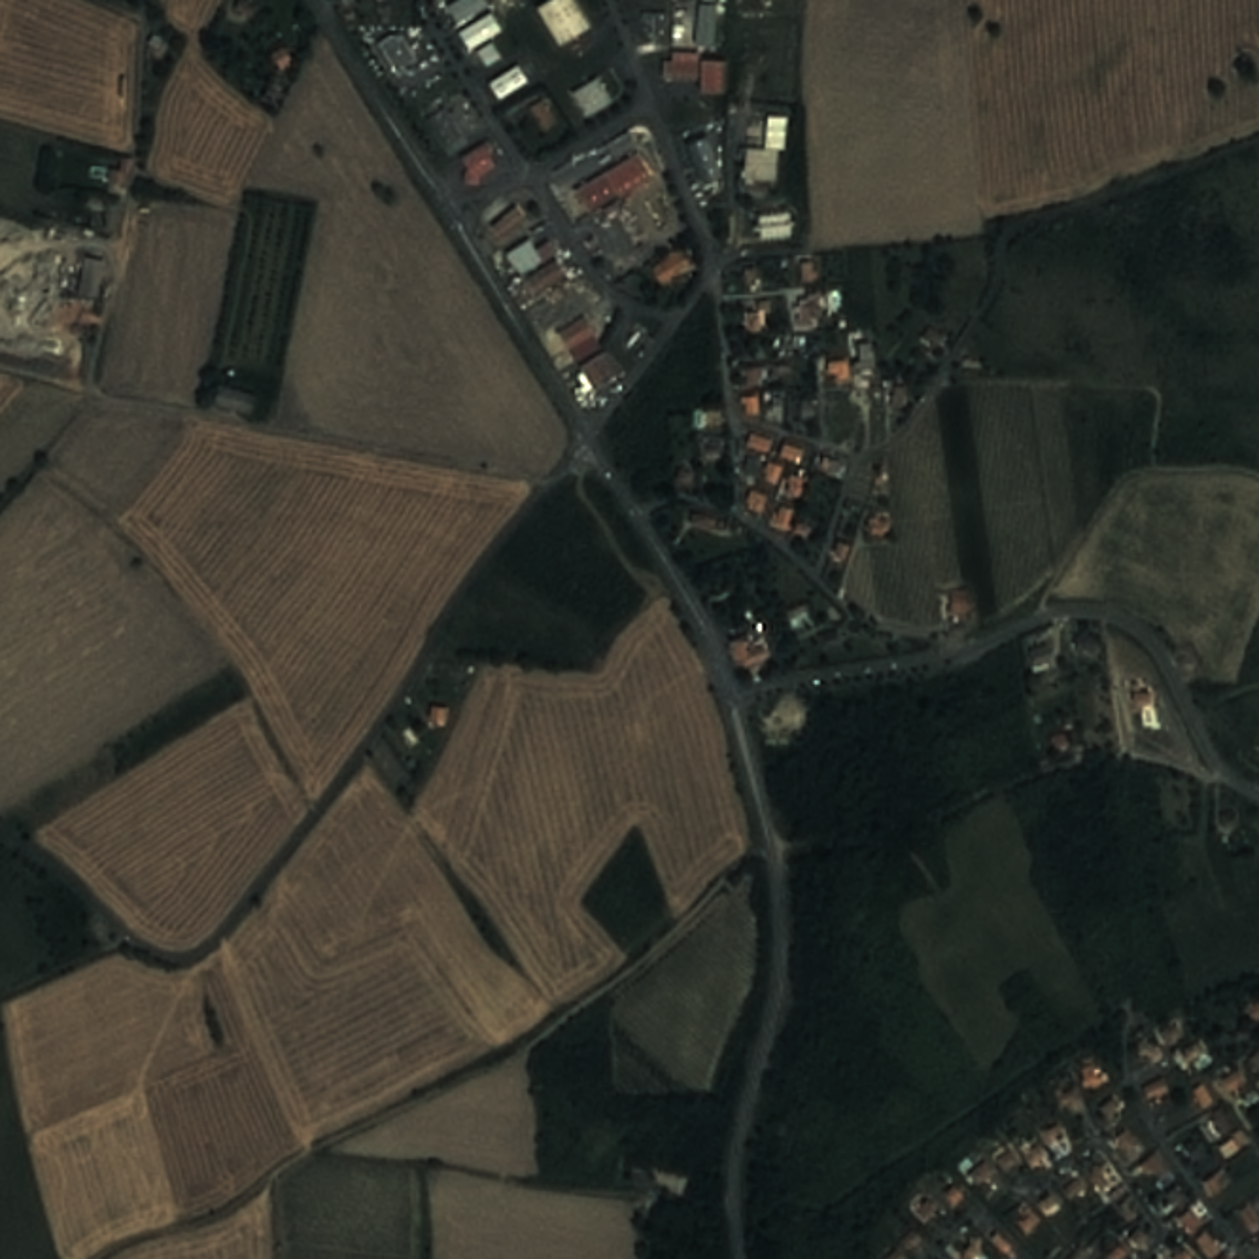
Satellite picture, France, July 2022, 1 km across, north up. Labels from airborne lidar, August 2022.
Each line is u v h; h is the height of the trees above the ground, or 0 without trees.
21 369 0
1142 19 0
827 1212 8
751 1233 12
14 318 0
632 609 0
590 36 0
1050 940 0
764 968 11
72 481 0
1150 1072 0
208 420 0
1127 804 6
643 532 0
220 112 0
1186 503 0
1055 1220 0
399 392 0
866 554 0
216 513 0
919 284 9
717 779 0
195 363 0
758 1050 0
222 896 0
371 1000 0
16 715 0
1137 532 0
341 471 0
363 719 0
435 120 0
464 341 0
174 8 0
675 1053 0
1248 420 0
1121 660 0
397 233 0
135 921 0
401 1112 0
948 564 0
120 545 0
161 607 0
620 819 0
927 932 0
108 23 0
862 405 0
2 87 0
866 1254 7
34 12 0
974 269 0
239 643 0
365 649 0
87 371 0
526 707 0
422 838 0
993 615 0
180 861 0
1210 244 10
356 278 0
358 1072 0
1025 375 0
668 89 0
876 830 16
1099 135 0
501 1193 0
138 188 7
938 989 0
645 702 0
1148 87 0
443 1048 0
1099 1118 10
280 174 0
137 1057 0
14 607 0
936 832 10
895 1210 6
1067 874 11
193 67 0
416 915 0
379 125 0
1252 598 0
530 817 0
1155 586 0
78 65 0
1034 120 0
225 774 0
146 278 0
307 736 0
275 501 0
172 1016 0
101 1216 0
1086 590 0
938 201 0
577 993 0
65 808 0
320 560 0
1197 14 0
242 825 0
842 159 0
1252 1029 7
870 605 0
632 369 0
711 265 0
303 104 0
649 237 0
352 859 0
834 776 12
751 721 6
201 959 0
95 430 0
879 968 7
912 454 0
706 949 0
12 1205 0
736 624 15
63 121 0
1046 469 0
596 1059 8
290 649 0
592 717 0
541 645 0
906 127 0
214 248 0
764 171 0
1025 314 0
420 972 0
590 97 0
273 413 0
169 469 0
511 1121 0
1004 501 0
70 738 0
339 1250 0
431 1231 0
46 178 9
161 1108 0
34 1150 0
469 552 0
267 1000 0
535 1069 7
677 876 0
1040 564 0
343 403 0
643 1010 0
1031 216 0
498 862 0
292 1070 0
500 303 0
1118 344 0
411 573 0
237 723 0
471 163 0
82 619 0
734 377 6
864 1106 7
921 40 0
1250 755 0
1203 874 0
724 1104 13
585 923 0
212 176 0
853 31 0
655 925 0
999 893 0
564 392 0
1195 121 0
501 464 0
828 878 13
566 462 0
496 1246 0
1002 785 9
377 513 0
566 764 0
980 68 0
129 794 0
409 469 0
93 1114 0
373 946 0
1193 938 0
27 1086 0
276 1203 0
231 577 0
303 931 0
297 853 0
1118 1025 10
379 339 0
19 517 0
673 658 0
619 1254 0
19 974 0
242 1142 0
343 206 0
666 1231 11
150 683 0
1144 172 0
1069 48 0
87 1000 0
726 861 0
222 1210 0
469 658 8
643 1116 9
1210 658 0
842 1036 9
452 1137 0
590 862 0
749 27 0
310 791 0
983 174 0
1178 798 8
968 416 0
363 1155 0
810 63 0
